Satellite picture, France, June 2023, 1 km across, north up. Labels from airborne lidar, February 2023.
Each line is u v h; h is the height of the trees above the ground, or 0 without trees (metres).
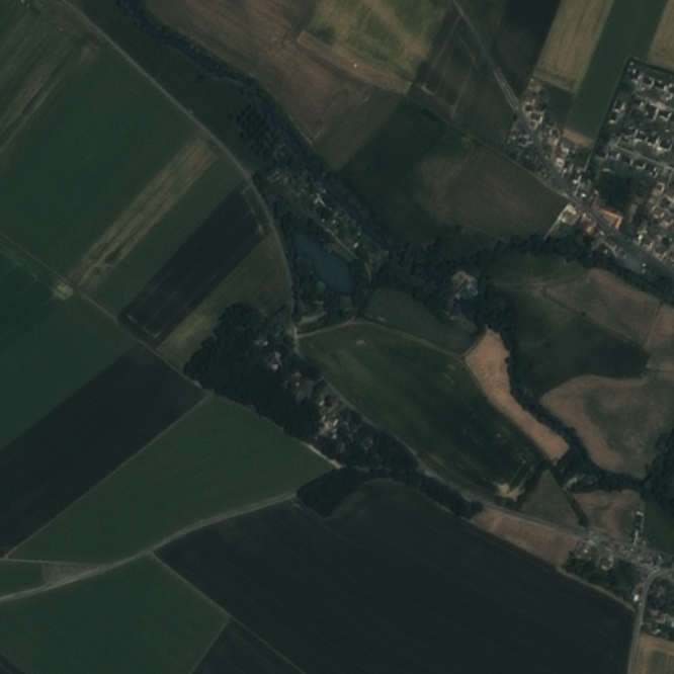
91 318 0
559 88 0
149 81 0
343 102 0
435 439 0
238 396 17
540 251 19
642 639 0
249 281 0
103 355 0
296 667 0
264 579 0
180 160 0
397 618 0
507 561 0
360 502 0
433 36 0
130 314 0
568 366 0
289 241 6
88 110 0
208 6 0
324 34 0
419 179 0
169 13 0
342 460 19
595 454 0
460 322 0
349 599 0
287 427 14
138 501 0
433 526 0
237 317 20
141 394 0
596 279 0
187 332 0
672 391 0
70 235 0
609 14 0
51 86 0
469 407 0
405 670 0
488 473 0
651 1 0
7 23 0
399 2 0
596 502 0
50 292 0
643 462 0
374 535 0
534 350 0
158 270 0
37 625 0
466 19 0
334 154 0
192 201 0
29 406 0
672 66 0
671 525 0
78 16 0
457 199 0
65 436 0
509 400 0
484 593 0
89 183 0
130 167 0
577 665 0
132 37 0
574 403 0
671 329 0
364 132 0
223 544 0
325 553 0
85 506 0
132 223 0
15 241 0
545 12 0
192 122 0
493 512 0
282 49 0
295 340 14
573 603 0
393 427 0
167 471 0
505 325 18
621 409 0
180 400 0
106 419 0
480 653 0
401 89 0
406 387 0
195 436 0
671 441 12
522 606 0
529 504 0
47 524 0
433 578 0
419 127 0
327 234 12
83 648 0
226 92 0
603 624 0
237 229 0
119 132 0
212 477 0
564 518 0
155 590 0
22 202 0
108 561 0
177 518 0
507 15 0
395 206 0
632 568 8
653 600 9
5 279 0
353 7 0
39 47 0
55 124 0
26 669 0
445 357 0
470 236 0
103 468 0
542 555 0
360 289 15
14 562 0
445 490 20
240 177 0
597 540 0
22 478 0
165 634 0
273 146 13
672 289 11
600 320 0
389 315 0
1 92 0
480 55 0
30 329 0
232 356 18
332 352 0
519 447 0
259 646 0
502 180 0
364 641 0
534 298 0
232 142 0
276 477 0
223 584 0
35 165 0
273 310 0
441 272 21
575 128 0
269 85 0
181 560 0
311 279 7
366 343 0
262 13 0
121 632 0
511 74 0
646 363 0
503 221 0
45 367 0
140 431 0
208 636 0
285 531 0
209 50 0
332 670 0
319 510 15
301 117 0
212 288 0
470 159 0
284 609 0
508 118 0
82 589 0
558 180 0
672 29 0
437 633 0
